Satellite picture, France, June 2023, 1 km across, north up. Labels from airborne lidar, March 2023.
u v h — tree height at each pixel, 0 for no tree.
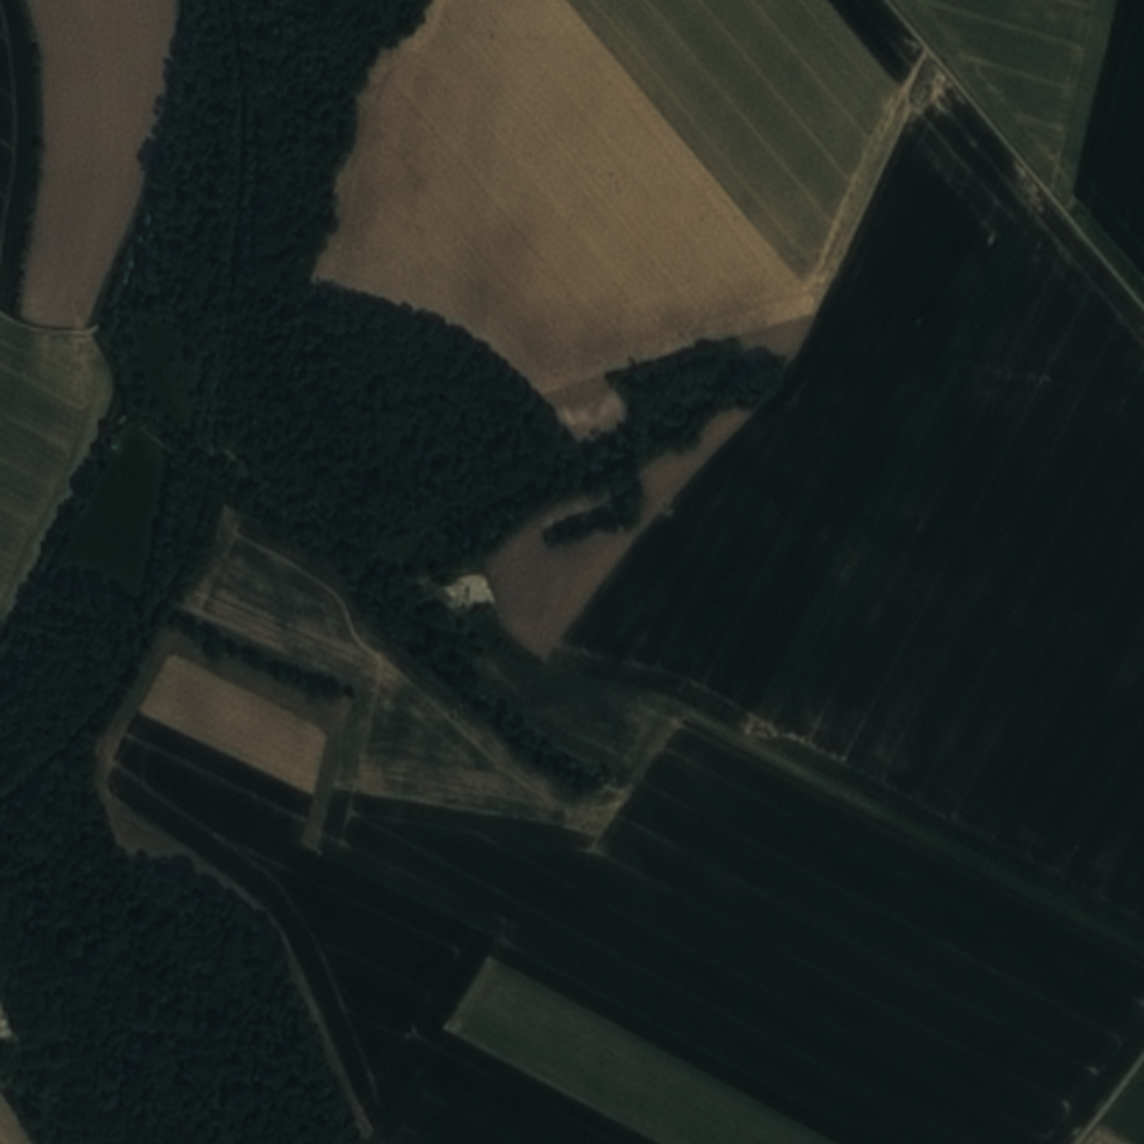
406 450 21
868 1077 0
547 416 16
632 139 0
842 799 0
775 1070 0
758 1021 0
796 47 0
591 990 0
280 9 11
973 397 0
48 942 22
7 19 0
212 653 18
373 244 0
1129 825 0
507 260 0
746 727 0
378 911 0
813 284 0
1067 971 0
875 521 0
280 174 21
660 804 0
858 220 0
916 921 0
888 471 0
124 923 21
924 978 0
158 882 25
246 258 26
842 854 0
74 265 0
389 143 0
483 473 24
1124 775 0
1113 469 0
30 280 0
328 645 0
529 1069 0
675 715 0
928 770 0
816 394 0
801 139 0
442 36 0
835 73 0
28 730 16
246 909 16
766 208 0
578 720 0
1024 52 0
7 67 0
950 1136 0
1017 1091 0
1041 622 0
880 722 0
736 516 0
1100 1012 0
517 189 0
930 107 0
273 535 21
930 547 0
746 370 23
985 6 0
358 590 22
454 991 0
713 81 0
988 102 0
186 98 23
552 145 0
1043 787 0
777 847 0
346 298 19
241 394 12
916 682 0
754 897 0
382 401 26
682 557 0
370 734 0
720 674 0
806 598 0
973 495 0
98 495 0
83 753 19
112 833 12
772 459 0
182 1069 16
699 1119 0
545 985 0
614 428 0
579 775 22
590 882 0
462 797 0
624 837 0
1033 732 0
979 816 0
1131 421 0
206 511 10
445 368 23
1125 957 0
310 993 0
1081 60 0
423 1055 0
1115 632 0
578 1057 0
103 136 0
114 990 21
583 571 0
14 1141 0
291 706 0
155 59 0
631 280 0
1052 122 0
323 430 19
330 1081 21
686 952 0
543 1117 0
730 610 0
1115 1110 0
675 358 6
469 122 0
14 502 0
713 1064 0
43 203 0
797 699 0
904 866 0
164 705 0
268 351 20
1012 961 0
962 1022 0
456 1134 0
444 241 0
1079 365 0
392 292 0
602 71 0
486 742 0
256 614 0
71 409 0
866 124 0
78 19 0
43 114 0
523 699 0
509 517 25
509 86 0
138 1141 20
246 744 0
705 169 0
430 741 0
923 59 0
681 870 0
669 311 0
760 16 0
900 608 0
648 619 0
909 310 0
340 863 0
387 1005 0
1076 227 0
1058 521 0
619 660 0
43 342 0
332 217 22
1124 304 0
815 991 0
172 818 0
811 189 0
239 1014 19
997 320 0
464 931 0
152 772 0
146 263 24
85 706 22
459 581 0
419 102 0
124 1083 22
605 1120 0
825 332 0
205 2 15
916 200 0
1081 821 0
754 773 0
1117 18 0
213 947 24
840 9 0
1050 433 0
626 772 0
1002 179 0
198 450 7
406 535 8
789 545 0
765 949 0
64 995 21
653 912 0
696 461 0
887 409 0
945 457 0
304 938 0
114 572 0
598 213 0
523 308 0
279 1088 24
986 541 0
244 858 0
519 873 0
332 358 20
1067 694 0
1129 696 0
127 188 0
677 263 0
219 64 23
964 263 0
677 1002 0
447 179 0
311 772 0
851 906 0
